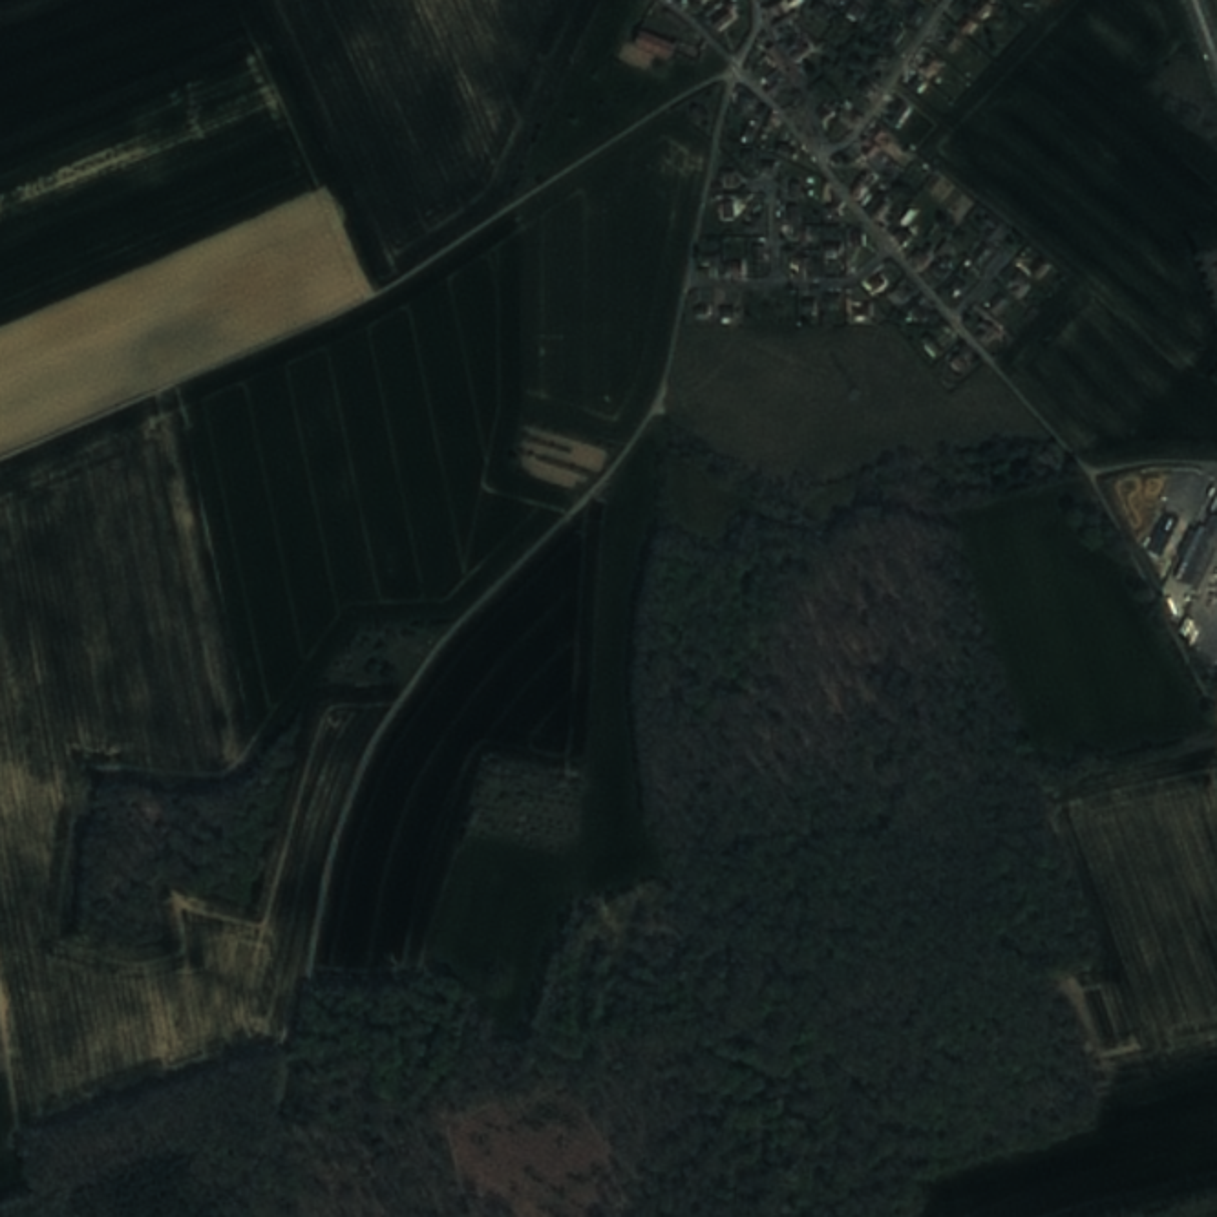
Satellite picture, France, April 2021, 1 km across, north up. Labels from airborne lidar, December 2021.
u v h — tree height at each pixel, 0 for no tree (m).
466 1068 24
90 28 0
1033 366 0
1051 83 0
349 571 0
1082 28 0
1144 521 0
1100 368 0
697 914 27
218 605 0
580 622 0
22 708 0
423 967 0
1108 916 0
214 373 0
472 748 0
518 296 0
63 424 0
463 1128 0
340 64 0
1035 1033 25
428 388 0
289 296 0
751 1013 28
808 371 0
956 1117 26
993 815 24
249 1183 16
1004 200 0
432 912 0
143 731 0
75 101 0
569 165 0
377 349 0
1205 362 0
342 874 0
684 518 0
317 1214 30
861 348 0
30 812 0
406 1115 22
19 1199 15
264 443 0
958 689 26
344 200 0
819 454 0
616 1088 24
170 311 0
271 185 0
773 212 0
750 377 0
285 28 0
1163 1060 0
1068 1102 18
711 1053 24
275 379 0
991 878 28
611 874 0
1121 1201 0
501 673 0
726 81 0
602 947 13
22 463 0
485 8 0
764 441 0
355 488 0
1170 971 0
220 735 0
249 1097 26
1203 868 0
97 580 0
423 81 0
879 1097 10
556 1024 17
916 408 0
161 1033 0
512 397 0
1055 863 19
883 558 24
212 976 0
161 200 0
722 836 26
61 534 0
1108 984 0
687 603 23
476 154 0
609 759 0
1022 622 0
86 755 0
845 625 21
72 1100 0
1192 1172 0
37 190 0
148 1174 21
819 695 30
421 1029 31
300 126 0
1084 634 0
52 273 0
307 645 0
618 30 0
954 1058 26
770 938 31
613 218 0
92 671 0
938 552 18
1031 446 9
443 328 0
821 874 25
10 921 0
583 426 0
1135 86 0
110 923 22
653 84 0
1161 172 0
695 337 0
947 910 28
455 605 0
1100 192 0
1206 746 0
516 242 0
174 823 15
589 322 0
